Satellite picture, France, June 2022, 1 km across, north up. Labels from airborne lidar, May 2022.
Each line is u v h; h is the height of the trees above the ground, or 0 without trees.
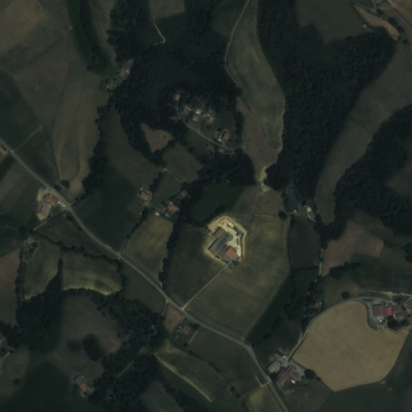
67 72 0
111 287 0
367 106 0
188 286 0
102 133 9
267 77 0
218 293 0
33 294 0
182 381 0
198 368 0
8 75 0
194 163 0
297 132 24
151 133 0
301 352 0
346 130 0
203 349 0
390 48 12
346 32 0
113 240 0
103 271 0
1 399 0
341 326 0
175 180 0
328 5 0
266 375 0
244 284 0
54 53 0
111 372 16
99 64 0
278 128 0
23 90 0
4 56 0
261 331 0
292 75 19
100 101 0
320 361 0
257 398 0
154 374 20
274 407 0
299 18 0
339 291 0
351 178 21
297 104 9
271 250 0
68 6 0
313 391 0
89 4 0
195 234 0
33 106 0
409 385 0
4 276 0
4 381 0
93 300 8
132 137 11
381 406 0
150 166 0
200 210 0
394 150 20
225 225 0
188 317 0
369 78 7
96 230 0
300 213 0
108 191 0
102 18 0
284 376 0
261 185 0
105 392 14
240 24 0
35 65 0
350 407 0
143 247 0
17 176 0
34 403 0
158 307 0
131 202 0
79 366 0
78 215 0
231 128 0
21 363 0
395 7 0
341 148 0
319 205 0
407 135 13
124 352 10
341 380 0
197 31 11
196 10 7
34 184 0
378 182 21
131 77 8
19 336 21
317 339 0
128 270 0
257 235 0
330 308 0
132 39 23
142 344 25
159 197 0
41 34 0
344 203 24
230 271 0
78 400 0
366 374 0
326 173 0
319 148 14
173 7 0
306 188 20
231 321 0
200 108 0
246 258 0
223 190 0
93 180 14
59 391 0
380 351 0
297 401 0
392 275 0
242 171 18
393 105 0
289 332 0
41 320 6
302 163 14
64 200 0
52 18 0
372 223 0
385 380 0
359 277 0
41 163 0
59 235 0
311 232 0
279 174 21
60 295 16
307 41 12
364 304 0
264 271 0
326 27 0
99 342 0
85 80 0
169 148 6
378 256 0
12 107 0
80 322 0
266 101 0
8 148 0
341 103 9
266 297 0
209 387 0
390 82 0
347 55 8
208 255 0
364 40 10
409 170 0
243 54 0
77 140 0
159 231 0
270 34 18
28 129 0
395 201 25
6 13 0
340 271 17
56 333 0
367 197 13
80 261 0
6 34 0
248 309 0
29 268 0
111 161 0
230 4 0
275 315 0
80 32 0
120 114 14
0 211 0
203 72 17
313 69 11
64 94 0
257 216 0
